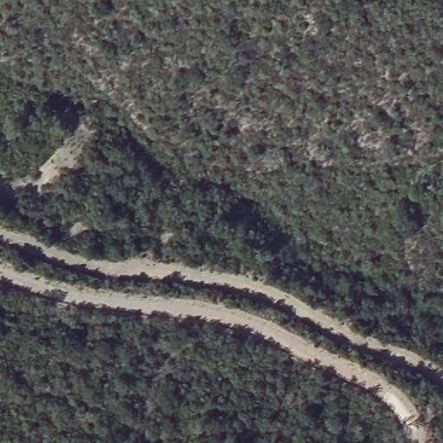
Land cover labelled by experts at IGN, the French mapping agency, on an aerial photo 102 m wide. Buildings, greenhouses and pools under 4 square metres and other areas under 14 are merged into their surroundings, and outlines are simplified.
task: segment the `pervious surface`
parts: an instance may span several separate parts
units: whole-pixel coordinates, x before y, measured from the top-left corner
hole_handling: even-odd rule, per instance
[[[164,311],[173,317],[201,317],[206,320],[218,320],[221,324],[244,325],[266,339],[273,339],[275,343],[284,346],[291,351],[294,358],[317,360],[320,365],[332,367],[344,379],[355,377],[356,382],[363,384],[365,388],[376,386],[379,389],[379,396],[393,388],[393,384],[389,384],[388,379],[382,374],[363,369],[360,363],[350,362],[343,356],[329,353],[324,348],[317,348],[310,339],[298,336],[296,332],[287,331],[282,325],[270,322],[251,311],[227,308],[223,303],[211,303],[206,299],[164,296],[144,298],[140,294],[71,286],[59,280],[45,279],[36,273],[17,272],[12,263],[0,265],[0,275],[9,279],[12,284],[29,287],[31,291],[66,292],[69,303],[92,303],[97,306],[140,310],[142,313]]]
[[[7,221],[0,221],[0,237],[3,241],[14,244],[38,247],[48,258],[62,260],[67,265],[85,265],[90,270],[99,270],[107,275],[145,273],[154,279],[163,279],[171,273],[180,273],[185,280],[261,292],[273,301],[280,299],[286,305],[292,306],[298,317],[310,318],[320,327],[331,329],[334,334],[343,334],[351,343],[365,344],[372,350],[389,351],[391,355],[401,356],[412,365],[419,365],[419,355],[414,351],[405,350],[395,344],[381,343],[376,337],[362,336],[351,329],[348,320],[339,322],[337,318],[329,317],[324,310],[311,308],[289,292],[258,280],[253,280],[253,275],[249,273],[235,275],[209,272],[208,266],[204,265],[190,268],[183,263],[159,263],[145,258],[130,258],[116,263],[90,260],[80,254],[67,253],[59,247],[48,246],[33,235],[9,230]]]
[[[403,391],[400,391],[398,396],[408,410],[408,417],[401,422],[407,427],[410,438],[419,443],[426,443],[427,429],[417,426],[417,408]]]

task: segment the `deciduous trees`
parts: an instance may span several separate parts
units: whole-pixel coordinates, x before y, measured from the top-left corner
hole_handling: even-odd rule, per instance
[[[171,166],[163,166],[163,177],[170,182],[168,189],[154,187],[144,164],[140,161],[128,161],[112,145],[112,138],[125,140],[132,132],[128,126],[118,125],[118,118],[104,116],[104,111],[109,107],[112,112],[119,112],[119,107],[112,104],[109,99],[99,99],[97,104],[83,107],[78,112],[80,118],[92,118],[90,128],[95,133],[83,147],[76,166],[61,168],[59,177],[45,183],[42,192],[36,190],[36,185],[12,187],[14,180],[0,177],[0,221],[7,221],[9,230],[33,235],[48,246],[59,247],[67,253],[80,254],[90,260],[116,263],[130,258],[145,258],[159,263],[183,263],[190,268],[204,265],[208,266],[209,272],[235,275],[249,273],[253,275],[253,280],[258,280],[261,277],[268,279],[266,263],[272,261],[270,253],[260,253],[258,249],[251,249],[244,241],[254,239],[263,244],[265,239],[253,230],[242,232],[241,227],[228,227],[227,223],[221,221],[221,215],[230,211],[230,204],[241,199],[239,190],[232,190],[228,196],[220,196],[218,189],[199,192],[192,189],[197,178],[189,177],[185,183],[180,183]]]

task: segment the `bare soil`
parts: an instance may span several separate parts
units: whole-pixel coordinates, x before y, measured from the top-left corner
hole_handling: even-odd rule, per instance
[[[14,180],[12,187],[36,185],[36,190],[42,192],[45,183],[59,177],[61,168],[76,166],[83,147],[95,133],[90,128],[85,125],[78,126],[74,135],[64,140],[61,149],[57,149],[48,157],[47,163],[42,166],[42,177],[38,180],[31,177]]]

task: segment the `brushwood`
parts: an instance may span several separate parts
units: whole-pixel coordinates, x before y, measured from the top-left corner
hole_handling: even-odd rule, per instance
[[[132,132],[125,140],[112,138],[112,145],[128,161],[140,161],[144,164],[154,187],[168,189],[170,182],[163,177],[163,166],[171,166],[180,183],[185,183],[189,177],[197,178],[192,189],[199,192],[218,189],[220,196],[228,196],[232,190],[239,190],[241,199],[230,204],[230,211],[221,215],[221,221],[227,223],[228,227],[241,227],[242,232],[253,230],[265,239],[263,244],[254,239],[244,241],[251,249],[258,249],[260,253],[270,253],[272,261],[266,263],[268,279],[261,277],[258,280],[289,292],[311,308],[324,310],[329,317],[337,318],[339,322],[348,320],[351,329],[362,336],[376,337],[381,343],[395,344],[405,350],[414,351],[419,355],[419,365],[412,365],[401,356],[391,355],[389,351],[372,350],[365,344],[351,343],[343,334],[334,334],[331,329],[320,327],[310,318],[298,317],[292,306],[286,305],[280,299],[273,301],[261,292],[185,280],[180,273],[171,273],[163,279],[154,279],[145,273],[107,275],[99,270],[90,270],[85,265],[67,265],[62,260],[48,258],[38,247],[14,244],[3,241],[0,237],[0,265],[12,263],[17,272],[36,273],[45,279],[59,280],[71,286],[140,294],[144,298],[164,296],[206,299],[211,303],[223,303],[227,308],[251,311],[270,322],[282,325],[287,331],[296,332],[298,336],[310,339],[317,348],[324,348],[329,353],[343,356],[350,362],[360,363],[363,369],[382,374],[388,379],[389,384],[393,384],[393,388],[379,396],[379,389],[376,386],[365,388],[363,384],[356,382],[355,377],[344,379],[332,367],[320,365],[317,360],[294,358],[291,351],[284,346],[275,343],[273,339],[266,339],[244,325],[221,324],[218,320],[206,320],[201,317],[173,317],[164,311],[142,313],[140,310],[97,306],[92,303],[69,303],[66,292],[31,291],[29,287],[12,284],[9,279],[0,275],[0,443],[419,443],[410,438],[407,427],[401,422],[408,417],[408,410],[398,396],[400,391],[403,391],[417,408],[417,426],[427,429],[426,443],[443,443],[443,0],[0,0],[0,177],[14,180],[31,177],[38,180],[42,177],[42,166],[47,163],[48,157],[57,149],[61,149],[64,140],[74,135],[78,126],[85,125],[90,128],[92,118],[80,118],[78,112],[83,107],[97,104],[99,99],[109,99],[112,104],[119,107],[119,112],[112,112],[109,107],[104,111],[104,116],[118,118],[118,125],[128,126]]]

